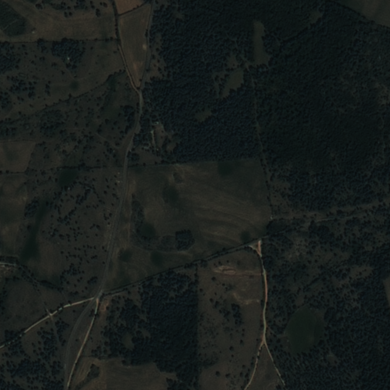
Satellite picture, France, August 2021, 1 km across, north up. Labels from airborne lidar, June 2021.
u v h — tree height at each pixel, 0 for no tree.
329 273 6
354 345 15
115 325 7
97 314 6
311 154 6
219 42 14
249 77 11
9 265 8
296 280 10
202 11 11
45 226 0
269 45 15
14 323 0
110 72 0
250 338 0
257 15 14
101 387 0
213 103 9
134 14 0
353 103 6
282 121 11
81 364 0
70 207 0
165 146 11
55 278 0
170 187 0
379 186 9
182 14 6
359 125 8
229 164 0
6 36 0
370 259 8
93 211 0
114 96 0
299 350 0
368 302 13
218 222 0
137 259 0
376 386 9
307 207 10
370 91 10
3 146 0
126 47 0
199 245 0
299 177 7
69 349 0
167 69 9
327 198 15
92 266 0
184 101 14
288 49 15
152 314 16
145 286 11
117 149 0
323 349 10
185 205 0
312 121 13
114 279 0
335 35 14
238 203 0
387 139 12
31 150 0
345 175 13
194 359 12
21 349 9
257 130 13
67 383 0
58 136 0
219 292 0
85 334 0
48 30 0
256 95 9
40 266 0
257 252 11
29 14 0
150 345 11
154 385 0
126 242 0
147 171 0
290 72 13
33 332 0
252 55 10
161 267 0
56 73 0
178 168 0
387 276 14
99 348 7
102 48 0
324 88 13
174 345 13
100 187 0
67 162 0
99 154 0
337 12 17
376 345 12
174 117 18
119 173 0
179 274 8
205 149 17
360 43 8
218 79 9
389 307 6
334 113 10
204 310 0
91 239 0
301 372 14
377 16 0
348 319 7
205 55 14
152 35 14
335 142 9
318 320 0
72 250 0
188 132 19
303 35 17
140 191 0
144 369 0
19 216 0
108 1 0
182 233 13
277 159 10
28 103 0
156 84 18
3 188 0
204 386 0
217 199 0
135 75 0
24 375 13
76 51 17
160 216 0
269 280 8
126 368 0
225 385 0
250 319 0
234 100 18
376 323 7
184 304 15
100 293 0
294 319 0
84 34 0
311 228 11
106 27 0
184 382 9
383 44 6
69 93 0
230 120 19
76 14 0
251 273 0
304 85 12
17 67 9
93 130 0
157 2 12
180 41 14
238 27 18
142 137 9
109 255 0
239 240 0
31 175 0
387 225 7
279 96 9
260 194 0
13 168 0
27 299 0
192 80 12
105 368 0
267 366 0
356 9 0
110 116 0
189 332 12
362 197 12
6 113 0
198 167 0
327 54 17
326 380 18
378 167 8
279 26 11
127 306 12
